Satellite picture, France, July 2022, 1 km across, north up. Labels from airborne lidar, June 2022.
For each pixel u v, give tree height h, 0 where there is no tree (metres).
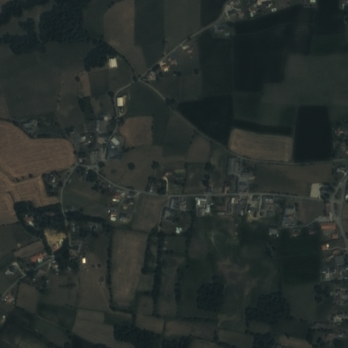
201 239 0
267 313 10
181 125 0
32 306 0
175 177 0
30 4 24
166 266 0
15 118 6
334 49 0
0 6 0
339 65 0
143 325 0
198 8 0
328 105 0
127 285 0
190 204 0
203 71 0
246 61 0
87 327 0
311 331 18
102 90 0
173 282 0
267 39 0
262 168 0
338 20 0
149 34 0
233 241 0
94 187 8
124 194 0
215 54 0
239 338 0
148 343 18
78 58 0
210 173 0
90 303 0
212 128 0
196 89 0
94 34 0
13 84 0
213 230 0
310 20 0
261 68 0
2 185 0
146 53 0
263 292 0
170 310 0
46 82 0
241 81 0
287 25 0
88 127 0
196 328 0
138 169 0
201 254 0
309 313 0
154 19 0
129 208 0
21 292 0
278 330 0
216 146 0
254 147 0
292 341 0
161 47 0
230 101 0
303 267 0
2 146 0
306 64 0
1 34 0
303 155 0
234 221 0
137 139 0
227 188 0
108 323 0
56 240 0
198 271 0
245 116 0
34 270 13
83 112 12
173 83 0
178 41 0
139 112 0
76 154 13
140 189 0
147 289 0
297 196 8
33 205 9
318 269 0
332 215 0
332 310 0
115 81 0
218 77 0
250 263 0
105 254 0
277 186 0
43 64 0
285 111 0
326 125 0
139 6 0
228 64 0
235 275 0
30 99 0
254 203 0
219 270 0
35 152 0
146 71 0
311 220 0
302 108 0
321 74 0
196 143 0
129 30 0
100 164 15
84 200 0
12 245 0
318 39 0
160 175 0
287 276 0
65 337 0
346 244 0
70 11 18
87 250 0
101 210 0
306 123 0
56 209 10
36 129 0
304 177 0
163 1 0
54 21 19
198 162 0
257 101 0
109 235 0
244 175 0
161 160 0
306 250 0
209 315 0
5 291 0
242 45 0
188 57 0
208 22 0
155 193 0
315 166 0
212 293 21
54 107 0
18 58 0
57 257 12
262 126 0
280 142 0
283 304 23
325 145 0
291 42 0
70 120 0
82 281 0
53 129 0
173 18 0
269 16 0
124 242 0
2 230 0
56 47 0
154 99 0
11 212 0
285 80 0
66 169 0
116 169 0
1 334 0
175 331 0
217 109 0
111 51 23
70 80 0
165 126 0
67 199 0
